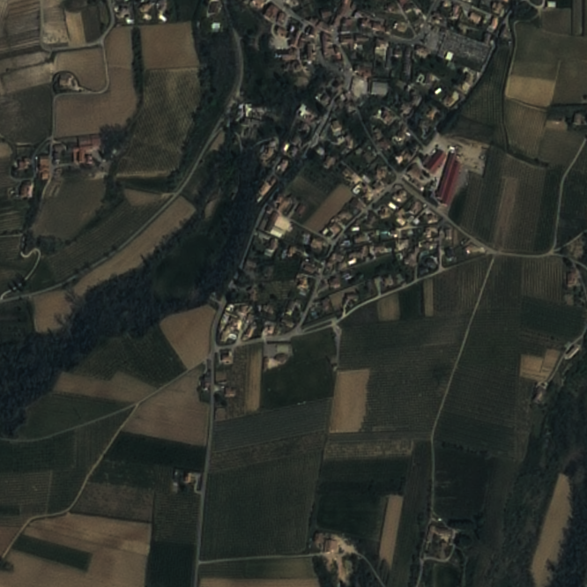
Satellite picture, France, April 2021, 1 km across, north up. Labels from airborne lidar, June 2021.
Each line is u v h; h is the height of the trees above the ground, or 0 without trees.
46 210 0
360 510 0
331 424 0
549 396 11
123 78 0
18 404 18
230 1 17
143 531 0
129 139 19
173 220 0
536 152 0
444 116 8
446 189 0
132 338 12
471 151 0
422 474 0
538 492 12
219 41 14
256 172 10
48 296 0
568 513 0
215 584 0
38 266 0
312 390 0
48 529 0
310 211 0
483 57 0
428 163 0
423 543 10
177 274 0
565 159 0
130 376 0
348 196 0
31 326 0
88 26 0
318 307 0
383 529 0
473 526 14
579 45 0
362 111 6
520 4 8
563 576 22
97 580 0
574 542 23
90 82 0
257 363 0
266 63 7
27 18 0
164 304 24
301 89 14
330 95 15
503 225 0
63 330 33
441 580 0
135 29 7
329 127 0
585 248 15
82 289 0
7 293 0
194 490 5
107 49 0
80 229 0
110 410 0
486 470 0
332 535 0
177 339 0
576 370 7
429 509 10
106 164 0
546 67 0
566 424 26
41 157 0
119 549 0
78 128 0
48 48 0
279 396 0
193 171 0
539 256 0
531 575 15
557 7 0
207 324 0
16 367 22
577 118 0
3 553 0
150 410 0
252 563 0
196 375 0
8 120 0
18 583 0
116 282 27
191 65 0
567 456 9
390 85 6
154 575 0
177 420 0
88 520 0
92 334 14
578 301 8
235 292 10
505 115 0
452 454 0
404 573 0
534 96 0
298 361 0
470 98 8
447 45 0
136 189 0
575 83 0
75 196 0
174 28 0
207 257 14
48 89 0
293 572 0
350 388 0
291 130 9
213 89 25
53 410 0
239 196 6
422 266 6
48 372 19
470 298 0
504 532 10
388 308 0
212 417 0
